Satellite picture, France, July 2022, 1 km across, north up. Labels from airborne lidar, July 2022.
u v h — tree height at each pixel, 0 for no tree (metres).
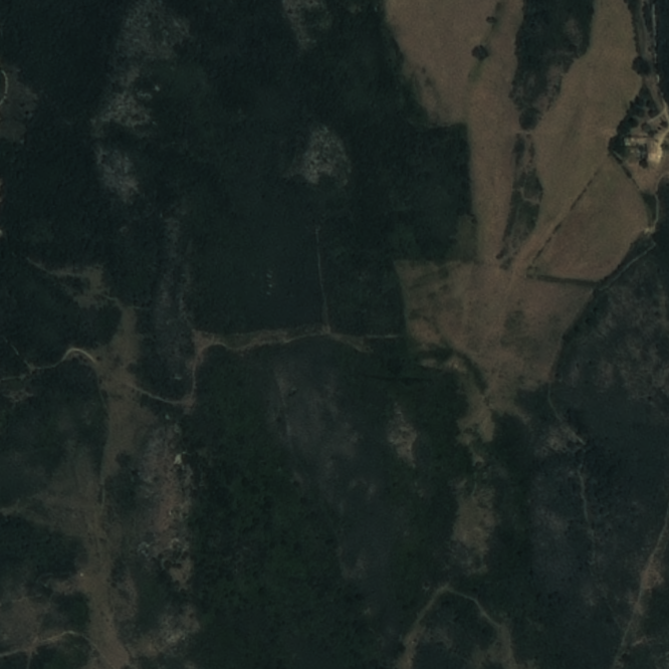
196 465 8
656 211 0
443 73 0
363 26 9
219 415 8
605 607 0
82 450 0
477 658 0
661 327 0
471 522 0
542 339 0
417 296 0
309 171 0
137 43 0
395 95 8
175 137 7
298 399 0
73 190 10
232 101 8
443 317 0
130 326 0
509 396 0
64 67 9
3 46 12
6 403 8
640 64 21
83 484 0
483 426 0
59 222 8
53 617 0
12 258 10
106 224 8
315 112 6
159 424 0
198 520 7
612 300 0
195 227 7
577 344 0
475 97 0
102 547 0
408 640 0
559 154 0
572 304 0
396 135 9
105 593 0
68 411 0
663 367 0
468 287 0
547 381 0
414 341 0
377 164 5
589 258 0
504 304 0
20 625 0
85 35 7
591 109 0
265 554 6
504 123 0
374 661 9
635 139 0
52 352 6
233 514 9
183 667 0
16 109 0
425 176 6
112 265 7
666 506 0
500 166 0
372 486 0
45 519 0
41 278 7
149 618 0
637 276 0
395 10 0
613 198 0
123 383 0
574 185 0
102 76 7
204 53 7
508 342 0
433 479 7
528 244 0
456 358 0
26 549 6
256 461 6
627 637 0
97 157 0
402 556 0
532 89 0
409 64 0
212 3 8
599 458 7
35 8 5
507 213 0
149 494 0
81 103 8
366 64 10
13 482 0
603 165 0
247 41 7
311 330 0
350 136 8
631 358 0
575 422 8
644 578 0
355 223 9
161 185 6
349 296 6
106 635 0
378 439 0
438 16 0
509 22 0
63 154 9
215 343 0
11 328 9
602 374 0
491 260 0
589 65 0
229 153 9
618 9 0
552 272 0
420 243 12
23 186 7
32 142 8
